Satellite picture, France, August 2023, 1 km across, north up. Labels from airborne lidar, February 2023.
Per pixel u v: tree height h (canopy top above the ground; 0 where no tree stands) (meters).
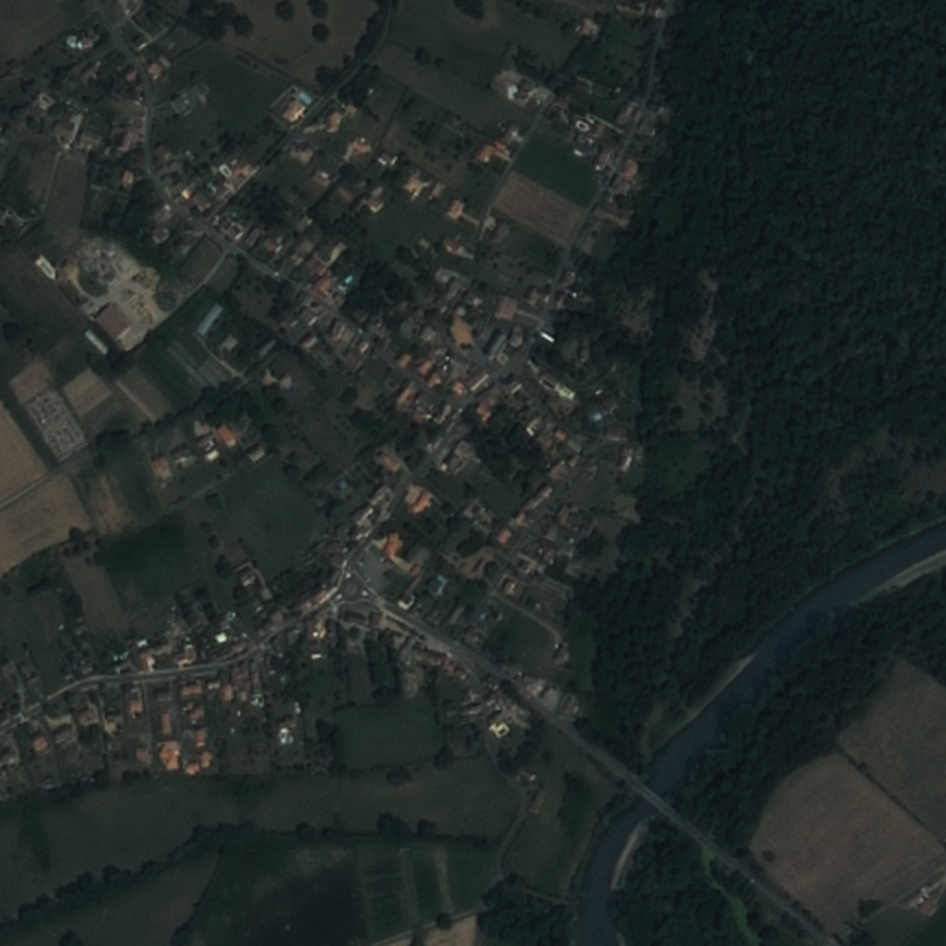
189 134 0
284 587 0
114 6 0
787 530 22
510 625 0
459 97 0
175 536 0
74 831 0
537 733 13
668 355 7
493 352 0
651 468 6
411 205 0
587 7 0
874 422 20
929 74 18
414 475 0
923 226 15
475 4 24
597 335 15
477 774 0
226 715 0
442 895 0
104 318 0
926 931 0
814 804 0
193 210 7
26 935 0
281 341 7
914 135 16
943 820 0
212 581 0
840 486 0
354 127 0
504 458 9
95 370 8
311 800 0
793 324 27
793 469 20
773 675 9
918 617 7
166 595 0
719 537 23
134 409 0
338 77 9
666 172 9
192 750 0
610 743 8
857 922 0
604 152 0
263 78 0
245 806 0
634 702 6
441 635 0
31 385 0
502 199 0
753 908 7
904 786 0
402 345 0
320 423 0
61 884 0
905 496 11
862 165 11
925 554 0
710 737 0
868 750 0
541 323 0
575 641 0
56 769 0
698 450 0
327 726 12
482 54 0
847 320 21
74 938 16
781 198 15
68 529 0
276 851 0
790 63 26
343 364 7
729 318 10
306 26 0
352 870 0
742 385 14
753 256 15
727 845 15
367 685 0
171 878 0
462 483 0
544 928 23
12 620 0
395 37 0
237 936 0
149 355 0
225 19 16
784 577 22
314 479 8
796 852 0
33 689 0
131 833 0
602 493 0
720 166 7
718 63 33
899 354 32
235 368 0
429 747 0
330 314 0
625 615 12
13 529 0
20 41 0
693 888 8
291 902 0
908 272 14
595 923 0
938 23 29
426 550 0
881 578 0
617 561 0
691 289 22
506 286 0
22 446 0
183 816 0
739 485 21
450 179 0
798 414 15
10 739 0
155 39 0
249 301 0
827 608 0
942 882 0
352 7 0
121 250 0
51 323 0
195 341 0
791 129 6
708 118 6
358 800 0
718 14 30
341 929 0
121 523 0
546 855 0
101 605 0
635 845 0
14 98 0
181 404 0
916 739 0
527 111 0
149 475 0
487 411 0
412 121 0
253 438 0
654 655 20
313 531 0
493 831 0
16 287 0
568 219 0
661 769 0
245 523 0
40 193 0
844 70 21
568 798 8
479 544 7
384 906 0
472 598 0
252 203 6
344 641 11
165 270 0
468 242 0
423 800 0
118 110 0
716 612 27
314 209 7
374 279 13
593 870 0
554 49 0
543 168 0
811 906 0
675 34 11
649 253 11
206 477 0
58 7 0
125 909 0
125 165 7
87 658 7
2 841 0
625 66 8
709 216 26
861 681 29
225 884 0
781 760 13
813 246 16
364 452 7
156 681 0
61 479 0
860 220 14
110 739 13
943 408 19
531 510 6
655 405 22
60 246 0
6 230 7
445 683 0
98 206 0
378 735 0
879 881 0
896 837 0
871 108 10
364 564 0
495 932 23
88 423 0
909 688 0
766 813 0
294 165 0
